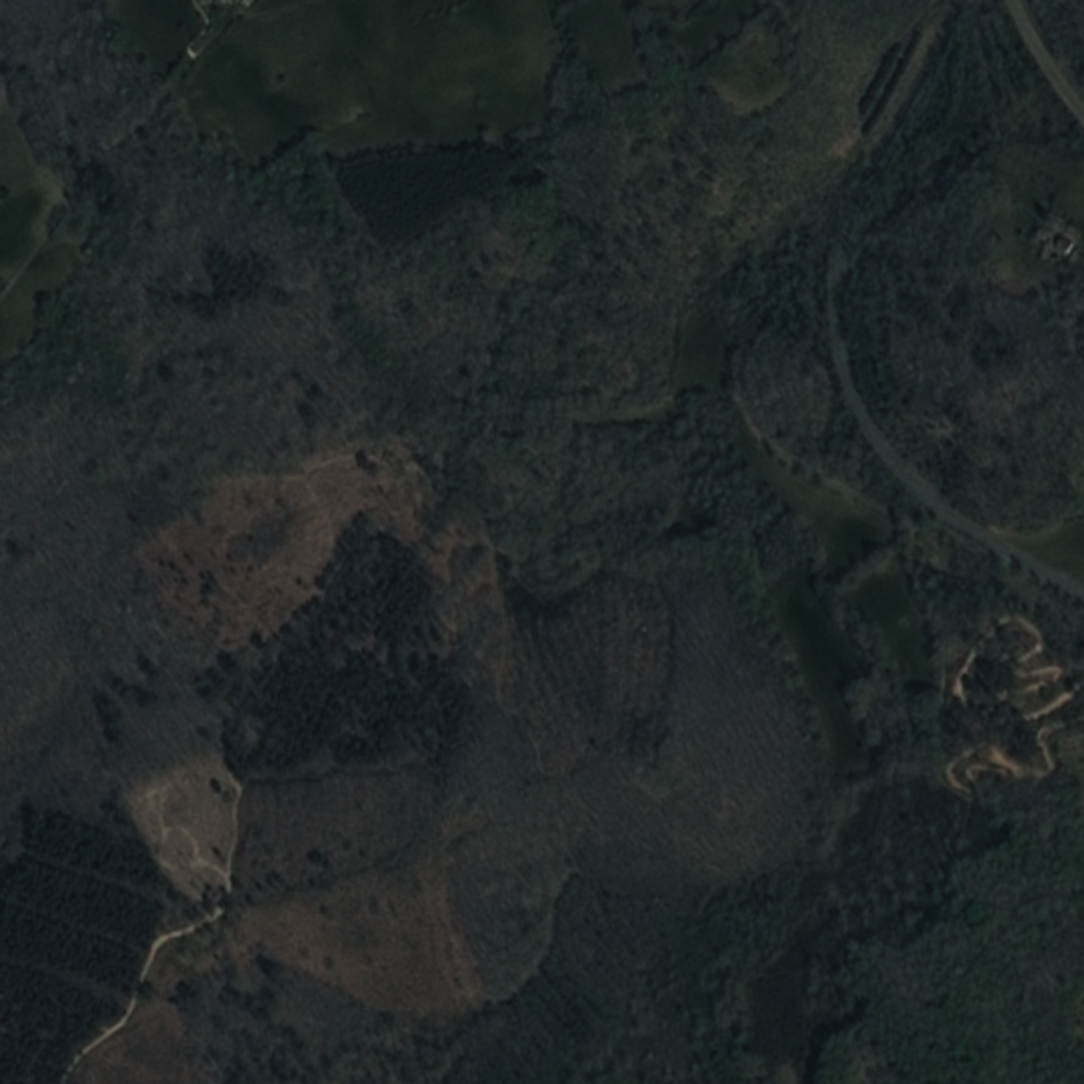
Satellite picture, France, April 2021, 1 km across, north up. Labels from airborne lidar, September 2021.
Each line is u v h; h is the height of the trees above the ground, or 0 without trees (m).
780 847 16
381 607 17
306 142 17
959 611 27
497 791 14
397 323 13
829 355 8
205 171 11
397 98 0
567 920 17
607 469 19
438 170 18
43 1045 17
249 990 22
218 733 10
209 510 0
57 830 19
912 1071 18
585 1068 22
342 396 16
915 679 0
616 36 0
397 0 0
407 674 9
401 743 18
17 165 0
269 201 16
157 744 17
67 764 7
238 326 14
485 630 15
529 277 17
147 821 0
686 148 22
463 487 15
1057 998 16
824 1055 21
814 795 17
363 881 6
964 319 24
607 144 20
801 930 6
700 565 23
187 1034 11
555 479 20
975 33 19
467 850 16
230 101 0
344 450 12
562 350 14
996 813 18
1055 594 8
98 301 21
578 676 5
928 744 23
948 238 16
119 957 20
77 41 11
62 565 15
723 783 15
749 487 20
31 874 21
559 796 13
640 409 20
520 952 24
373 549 14
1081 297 15
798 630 0
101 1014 21
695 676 17
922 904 8
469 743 19
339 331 22
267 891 7
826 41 13
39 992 22
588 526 21
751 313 6
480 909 19
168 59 0
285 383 13
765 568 21
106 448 17
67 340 12
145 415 14
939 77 28
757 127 19
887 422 8
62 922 17
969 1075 21
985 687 16
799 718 15
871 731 17
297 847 6
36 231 0
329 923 18
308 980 14
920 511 10
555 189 27
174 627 0
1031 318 18
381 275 19
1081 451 26
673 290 16
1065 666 20
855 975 21
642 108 13
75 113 12
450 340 12
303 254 19
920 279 14
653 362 12
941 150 17
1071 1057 15
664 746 10
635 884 15
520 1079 13
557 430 30
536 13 0
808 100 20
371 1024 17
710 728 17
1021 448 16
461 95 0
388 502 15
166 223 17
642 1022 10
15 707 14
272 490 0
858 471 18
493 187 21
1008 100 21
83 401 15
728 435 14
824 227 21
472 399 16
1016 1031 20
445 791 17
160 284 15
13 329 0
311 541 0
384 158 15
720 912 10
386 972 6
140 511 0
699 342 0
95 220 13
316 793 8
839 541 0
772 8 12
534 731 6
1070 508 22
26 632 17
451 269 17
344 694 22
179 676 15
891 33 19
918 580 14
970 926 19
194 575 0
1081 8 27
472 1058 16
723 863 15
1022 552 0
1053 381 16
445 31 0
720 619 16
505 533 24
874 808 12
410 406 16
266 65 0
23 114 18
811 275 21
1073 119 9
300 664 21
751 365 20
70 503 17
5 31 15
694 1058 8
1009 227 0
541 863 19
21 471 17
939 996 19
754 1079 30
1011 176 0
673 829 16
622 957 13
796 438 23
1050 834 23
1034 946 15
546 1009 17
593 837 17
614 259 13
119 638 14
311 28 0
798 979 0
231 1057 16
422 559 13
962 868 23
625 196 16
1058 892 18
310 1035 16
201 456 13
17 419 18
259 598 0
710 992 14
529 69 0
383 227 20
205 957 14
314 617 19
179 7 0
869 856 6
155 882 20
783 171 17
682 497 22
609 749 7
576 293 11
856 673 0
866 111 13
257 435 14
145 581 0
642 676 6
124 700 25
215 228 17
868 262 11
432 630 14
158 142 13
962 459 15
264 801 7
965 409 12
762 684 15
